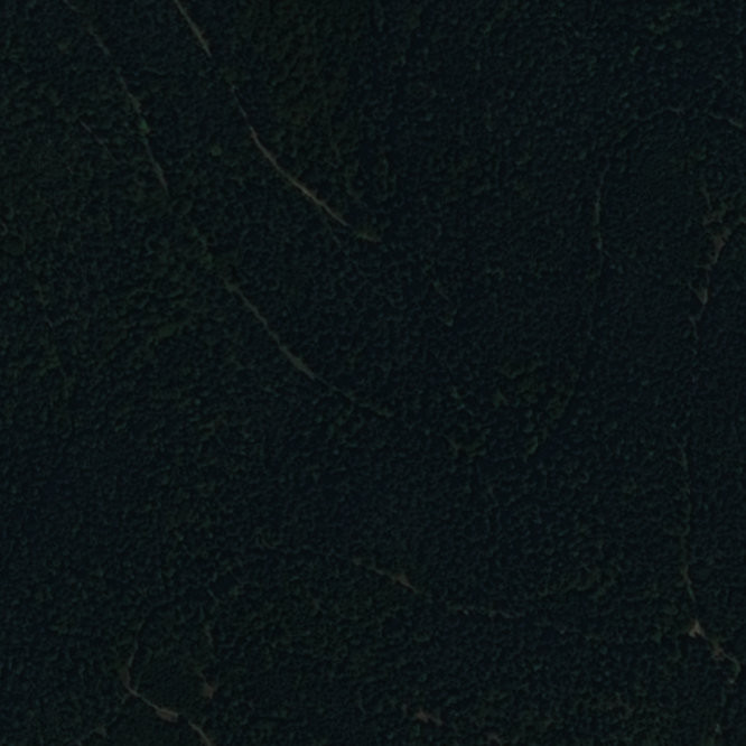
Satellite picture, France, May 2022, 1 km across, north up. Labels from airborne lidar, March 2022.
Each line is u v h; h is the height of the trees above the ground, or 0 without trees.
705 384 25
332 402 39
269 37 16
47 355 35
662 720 9
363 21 11
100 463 31
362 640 25
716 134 19
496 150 27
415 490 28
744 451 22
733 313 30
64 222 17
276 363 24
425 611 11
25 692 28
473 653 34
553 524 31
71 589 36
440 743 12
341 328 29
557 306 32
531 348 33
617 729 26
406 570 13
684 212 16
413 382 29
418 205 43
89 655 24
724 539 29
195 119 34
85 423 30
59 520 34
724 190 27
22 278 27
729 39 38
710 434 16
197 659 14
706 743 21
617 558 25
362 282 19
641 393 30
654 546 19
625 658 29
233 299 17
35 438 32
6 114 7
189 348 31
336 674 14
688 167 14
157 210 15
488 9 28
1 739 19
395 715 21
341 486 32
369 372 20
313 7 11
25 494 34
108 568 31
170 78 29
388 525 26
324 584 20
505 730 19
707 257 20
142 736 11
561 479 25
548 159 31
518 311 31
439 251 37
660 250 10
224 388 29
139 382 27
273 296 25
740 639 18
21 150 23
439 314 37
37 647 29
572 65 29
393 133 39
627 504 16
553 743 22
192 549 21
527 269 36
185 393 30
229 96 38
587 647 24
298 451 31
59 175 9
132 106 13
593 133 29
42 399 30
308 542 21
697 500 17
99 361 25
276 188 35
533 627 28
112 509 28
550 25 34
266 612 17
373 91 37
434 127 33
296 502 35
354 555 18
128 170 32
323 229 17
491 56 31
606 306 9
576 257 34
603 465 28
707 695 20
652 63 32
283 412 28
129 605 27
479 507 40
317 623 16
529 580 16
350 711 18
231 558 32
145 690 13
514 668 26
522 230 30
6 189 12
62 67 22
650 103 38
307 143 17
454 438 8
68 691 26
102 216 26
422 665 26
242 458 33
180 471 28
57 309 14
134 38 36
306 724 18
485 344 33
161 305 30
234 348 33
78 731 7
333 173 19
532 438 25
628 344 27
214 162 32
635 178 22
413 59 33
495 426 38
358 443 39
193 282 34
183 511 31
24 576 29
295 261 14
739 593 18
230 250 31
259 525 35
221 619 14
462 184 34
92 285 23
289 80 21
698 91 28
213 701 16
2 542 33
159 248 26
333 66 23
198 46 13
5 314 8
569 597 14
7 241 18
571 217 33
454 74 31
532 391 23
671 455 24
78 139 31
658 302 28
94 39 31
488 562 8
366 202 10
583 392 18
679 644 18
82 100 34
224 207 13
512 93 27
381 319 36
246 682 18
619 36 35
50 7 30
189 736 18
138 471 32
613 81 32
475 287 16
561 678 32
